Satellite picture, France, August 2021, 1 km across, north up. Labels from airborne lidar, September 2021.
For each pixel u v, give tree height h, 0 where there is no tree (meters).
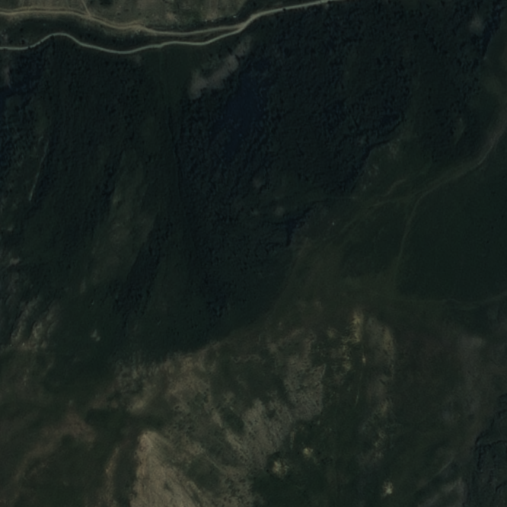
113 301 0
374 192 0
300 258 0
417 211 0
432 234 0
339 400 0
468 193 0
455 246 0
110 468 0
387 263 0
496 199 0
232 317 0
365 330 0
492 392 0
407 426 0
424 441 0
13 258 0
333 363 0
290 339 0
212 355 0
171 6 0
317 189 0
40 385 0
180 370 0
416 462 0
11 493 0
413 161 0
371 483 0
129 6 0
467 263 0
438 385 0
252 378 0
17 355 0
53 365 0
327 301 0
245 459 0
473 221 0
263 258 0
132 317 0
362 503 0
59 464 0
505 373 0
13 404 0
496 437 0
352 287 0
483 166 0
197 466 0
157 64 0
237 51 0
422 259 0
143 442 0
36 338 0
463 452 0
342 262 0
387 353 0
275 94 0
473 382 0
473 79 0
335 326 0
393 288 0
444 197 0
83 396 0
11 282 0
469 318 0
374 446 0
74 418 0
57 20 0
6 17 0
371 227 0
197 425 0
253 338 0
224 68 0
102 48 0
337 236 0
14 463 0
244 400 0
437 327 0
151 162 7
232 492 0
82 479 0
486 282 0
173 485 0
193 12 0
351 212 0
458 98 6
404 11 6
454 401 0
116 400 0
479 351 0
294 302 0
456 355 0
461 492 0
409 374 0
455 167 0
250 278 0
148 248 0
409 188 0
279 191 0
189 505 0
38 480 0
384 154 0
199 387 0
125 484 0
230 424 0
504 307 0
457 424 0
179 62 0
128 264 0
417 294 0
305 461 0
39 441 0
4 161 7
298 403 0
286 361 0
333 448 0
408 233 0
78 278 0
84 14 0
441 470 0
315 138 7
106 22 0
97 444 0
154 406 0
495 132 0
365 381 0
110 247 0
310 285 0
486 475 0
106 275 0
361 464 0
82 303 0
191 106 12
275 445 0
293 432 0
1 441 0
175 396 0
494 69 0
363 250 0
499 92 0
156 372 0
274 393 0
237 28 0
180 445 0
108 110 8
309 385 0
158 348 0
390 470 0
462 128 0
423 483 0
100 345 0
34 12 0
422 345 0
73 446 0
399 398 0
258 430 0
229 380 0
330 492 0
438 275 0
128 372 0
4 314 0
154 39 0
